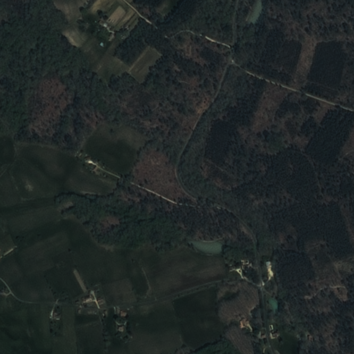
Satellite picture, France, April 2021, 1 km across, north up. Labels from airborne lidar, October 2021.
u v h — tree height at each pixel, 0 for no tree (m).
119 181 7
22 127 7
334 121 15
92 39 0
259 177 25
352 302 23
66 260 0
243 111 14
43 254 0
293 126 8
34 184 0
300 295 20
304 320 22
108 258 0
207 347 16
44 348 0
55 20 23
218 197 19
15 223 0
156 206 16
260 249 23
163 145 20
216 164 7
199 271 0
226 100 22
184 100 13
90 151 0
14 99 22
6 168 0
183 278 0
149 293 0
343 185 14
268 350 0
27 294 0
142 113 7
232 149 21
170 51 23
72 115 24
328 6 17
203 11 21
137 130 12
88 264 0
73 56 21
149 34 16
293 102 11
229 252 23
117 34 15
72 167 0
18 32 22
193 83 0
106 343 13
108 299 0
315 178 19
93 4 7
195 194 10
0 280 0
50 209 0
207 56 13
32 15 25
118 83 23
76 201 23
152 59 0
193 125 0
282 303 16
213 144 10
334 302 20
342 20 10
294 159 20
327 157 13
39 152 0
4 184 0
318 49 7
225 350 19
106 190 0
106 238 13
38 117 9
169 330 0
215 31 18
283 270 23
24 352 0
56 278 0
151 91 5
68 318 0
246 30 19
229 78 20
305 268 21
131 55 31
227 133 9
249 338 23
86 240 0
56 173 0
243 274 0
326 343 20
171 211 20
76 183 0
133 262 10
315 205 18
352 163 7
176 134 10
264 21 17
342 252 19
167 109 17
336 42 11
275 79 14
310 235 21
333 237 19
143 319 0
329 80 8
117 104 18
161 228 23
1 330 0
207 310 0
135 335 0
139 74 0
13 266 0
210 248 0
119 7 0
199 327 0
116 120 13
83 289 0
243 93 21
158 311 0
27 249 0
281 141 23
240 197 23
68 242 0
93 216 18
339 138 12
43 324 0
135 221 10
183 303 0
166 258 0
